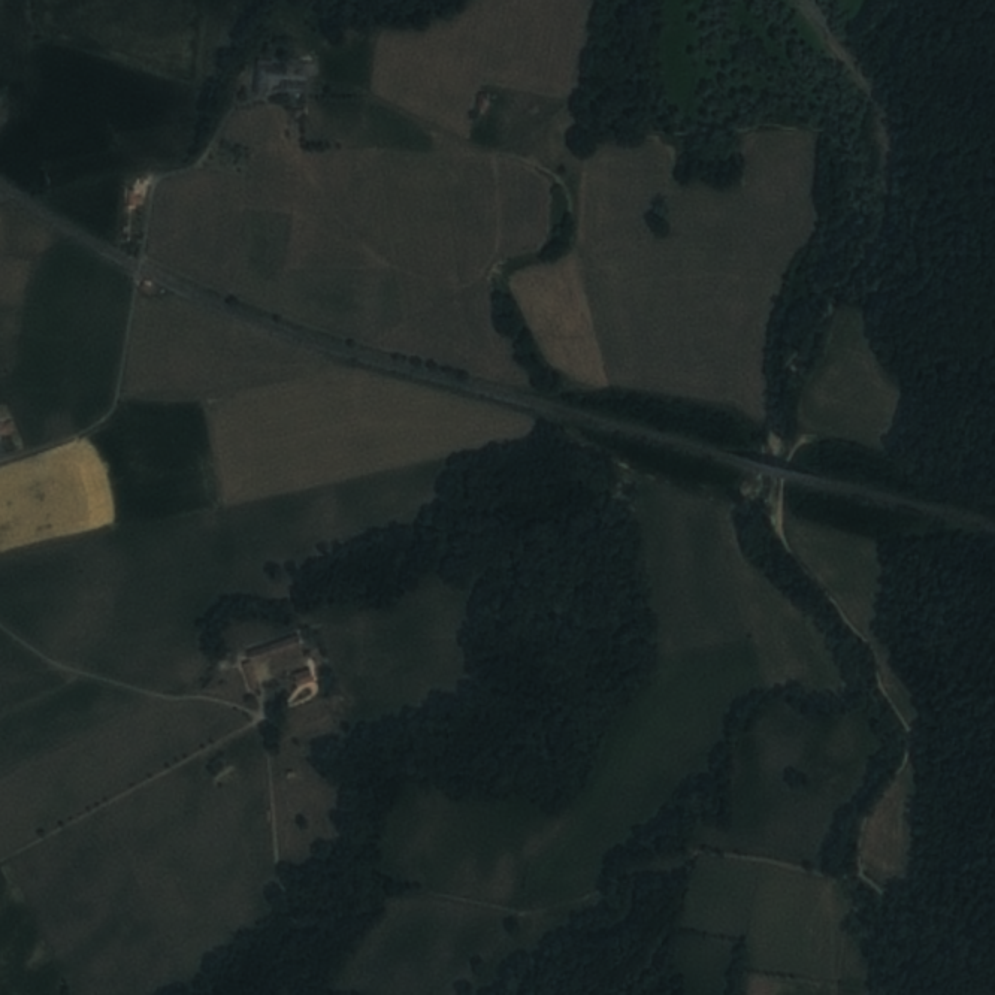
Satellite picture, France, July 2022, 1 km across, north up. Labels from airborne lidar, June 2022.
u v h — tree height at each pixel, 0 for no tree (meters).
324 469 0
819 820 0
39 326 0
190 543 0
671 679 0
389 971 0
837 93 10
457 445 0
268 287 0
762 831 0
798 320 25
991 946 25
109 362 0
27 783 0
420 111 0
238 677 0
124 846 0
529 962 28
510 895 0
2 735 0
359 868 26
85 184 0
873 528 7
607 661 7
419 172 0
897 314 23
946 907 23
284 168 0
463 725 18
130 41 0
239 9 0
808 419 0
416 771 27
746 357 0
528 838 0
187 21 0
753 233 0
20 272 0
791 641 0
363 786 25
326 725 0
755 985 0
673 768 0
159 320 0
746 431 0
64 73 0
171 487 0
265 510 0
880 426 0
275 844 0
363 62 0
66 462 0
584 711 28
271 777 0
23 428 0
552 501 20
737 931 0
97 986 0
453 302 0
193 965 0
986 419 22
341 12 24
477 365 0
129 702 0
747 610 0
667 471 7
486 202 0
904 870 0
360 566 14
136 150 0
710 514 0
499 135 0
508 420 0
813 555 0
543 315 0
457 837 0
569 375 0
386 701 0
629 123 25
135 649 0
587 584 30
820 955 0
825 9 9
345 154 0
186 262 0
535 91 0
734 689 0
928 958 29
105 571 0
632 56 20
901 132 24
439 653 0
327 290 0
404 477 0
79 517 0
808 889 0
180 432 0
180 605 0
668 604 0
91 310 0
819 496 6
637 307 0
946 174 30
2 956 0
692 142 18
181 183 0
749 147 0
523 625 31
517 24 0
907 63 23
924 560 18
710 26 7
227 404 0
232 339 0
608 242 0
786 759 0
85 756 0
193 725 0
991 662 16
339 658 0
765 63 18
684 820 30
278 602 9
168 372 0
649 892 22
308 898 16
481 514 27
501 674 21
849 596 0
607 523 26
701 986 0
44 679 0
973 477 27
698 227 0
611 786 0
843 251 24
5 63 0
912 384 22
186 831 0
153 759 0
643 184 0
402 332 0
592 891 0
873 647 12
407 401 0
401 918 0
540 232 0
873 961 20
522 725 19
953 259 24
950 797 19
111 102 0
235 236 0
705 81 10
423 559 30
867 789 8
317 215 0
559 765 26
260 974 18
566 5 0
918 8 28
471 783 25
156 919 0
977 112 32
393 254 0
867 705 21
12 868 0
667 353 0
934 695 16
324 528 0
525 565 29
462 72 0
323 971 21
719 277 0
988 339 33
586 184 0
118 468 0
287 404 0
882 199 7
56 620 0
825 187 15
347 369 0
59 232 0
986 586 20
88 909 0
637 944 20
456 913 0
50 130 0
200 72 0
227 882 0
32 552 0
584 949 25
